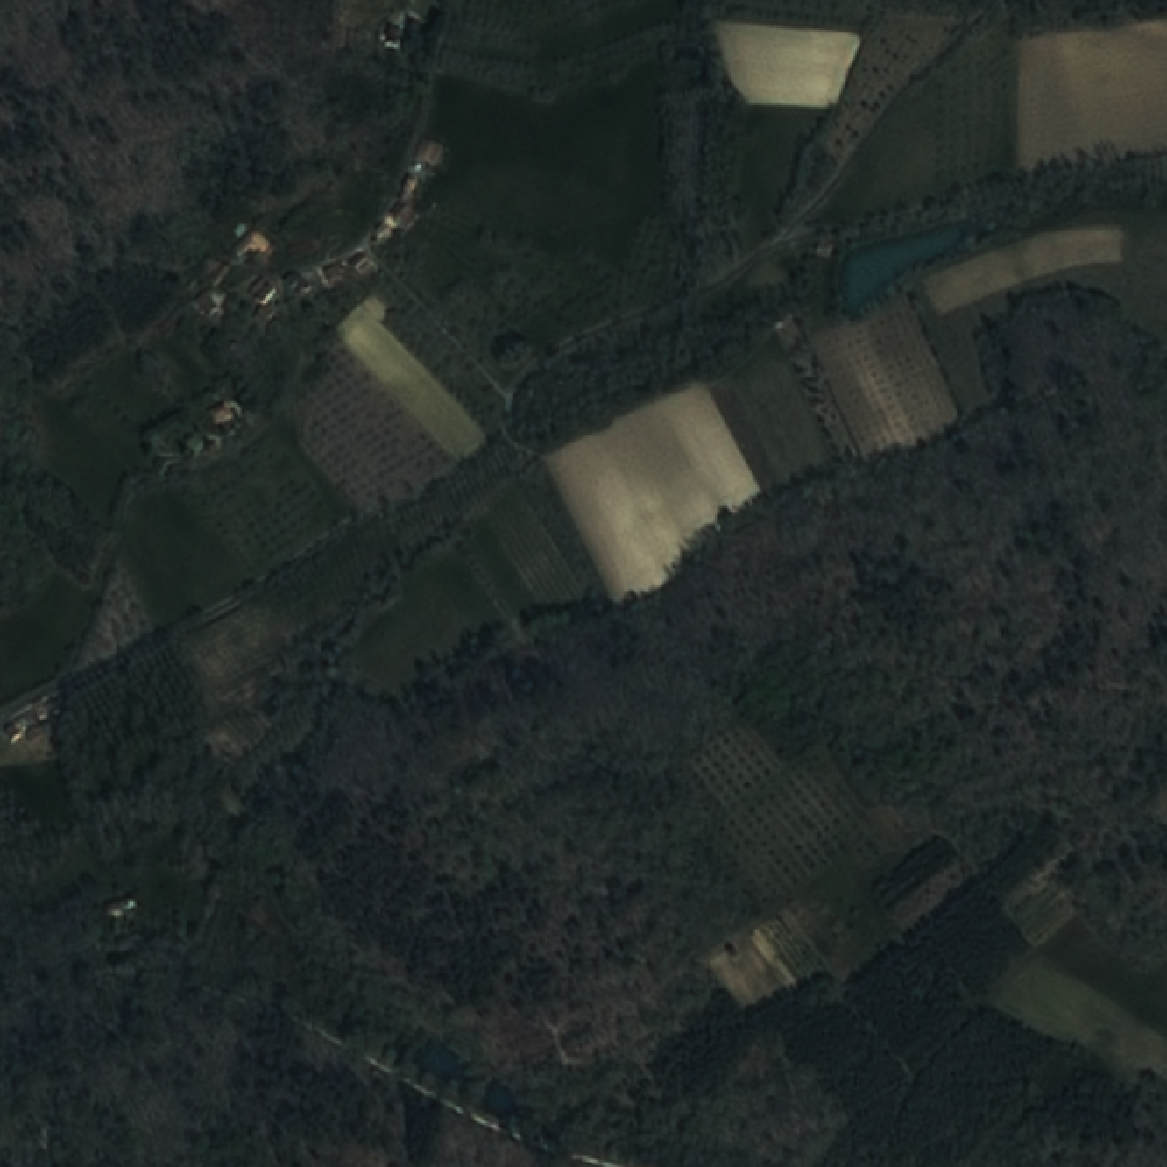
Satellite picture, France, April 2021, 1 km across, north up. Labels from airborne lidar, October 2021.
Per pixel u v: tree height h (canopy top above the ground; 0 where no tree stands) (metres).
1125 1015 0
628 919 8
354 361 8
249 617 0
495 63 8
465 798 8
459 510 23
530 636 14
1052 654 11
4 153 14
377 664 0
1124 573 18
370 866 12
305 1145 26
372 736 14
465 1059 24
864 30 9
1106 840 16
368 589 12
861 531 10
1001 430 16
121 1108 20
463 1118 9
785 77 0
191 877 9
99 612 15
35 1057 26
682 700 18
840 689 15
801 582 12
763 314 17
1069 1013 0
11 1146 16
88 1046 24
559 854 17
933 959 16
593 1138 27
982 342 10
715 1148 22
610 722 18
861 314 13
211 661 0
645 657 21
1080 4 18
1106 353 16
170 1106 19
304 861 18
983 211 22
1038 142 0
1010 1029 9
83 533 22
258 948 14
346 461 7
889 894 8
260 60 17
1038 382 17
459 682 16
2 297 15
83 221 12
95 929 19
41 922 18
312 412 6
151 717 32
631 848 20
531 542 0
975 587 10
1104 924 15
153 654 19
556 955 11
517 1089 17
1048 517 16
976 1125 12
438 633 0
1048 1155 20
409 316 8
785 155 0
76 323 20
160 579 0
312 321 15
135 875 12
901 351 0
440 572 0
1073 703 10
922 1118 14
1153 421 19
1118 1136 12
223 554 0
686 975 14
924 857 10
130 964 15
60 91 15
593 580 10
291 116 18
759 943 0
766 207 0
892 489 19
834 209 0
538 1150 8
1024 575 12
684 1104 16
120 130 17
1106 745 8
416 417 0
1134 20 18
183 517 0
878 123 0
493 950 18
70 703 28
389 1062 16
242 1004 20
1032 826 17
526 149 0
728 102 30
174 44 29
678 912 12
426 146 0
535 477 12
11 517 18
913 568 13
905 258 0
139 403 0
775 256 0
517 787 18
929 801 16
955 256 6
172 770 23
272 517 8
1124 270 0
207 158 15
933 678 11
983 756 9
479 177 0
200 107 25
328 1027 9
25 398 24
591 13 10
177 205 21
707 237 33
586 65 8
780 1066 16
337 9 15
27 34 13
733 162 29
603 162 0
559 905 6
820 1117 14
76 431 0
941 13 16
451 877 14
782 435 0
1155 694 15
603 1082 16
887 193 0
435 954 16
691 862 17
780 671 23
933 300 0
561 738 18
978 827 16
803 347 11
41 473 22
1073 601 24
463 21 7
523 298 8
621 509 0
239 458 11
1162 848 15
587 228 0
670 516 0
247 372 15
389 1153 25
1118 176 14
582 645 20
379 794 11
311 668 11
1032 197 17
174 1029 22
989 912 16
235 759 18
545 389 17
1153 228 0
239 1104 17
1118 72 0
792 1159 13
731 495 0
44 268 17
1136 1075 0
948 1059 14
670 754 11
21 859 18
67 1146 25
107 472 0
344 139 16
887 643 15
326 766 12
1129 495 18
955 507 14
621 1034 13
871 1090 14
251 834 20
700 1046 20
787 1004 16
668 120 13
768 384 0
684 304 16
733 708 13
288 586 15
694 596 10
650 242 7
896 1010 18
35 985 21
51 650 0
